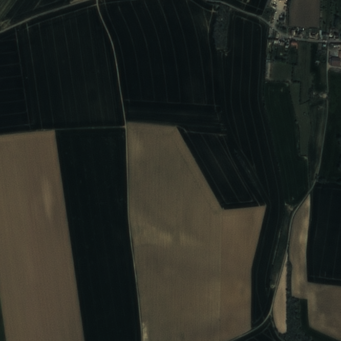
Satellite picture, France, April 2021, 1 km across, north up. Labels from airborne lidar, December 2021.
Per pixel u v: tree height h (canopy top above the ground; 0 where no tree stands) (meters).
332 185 0
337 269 0
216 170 0
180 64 0
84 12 0
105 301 0
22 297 0
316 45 0
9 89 0
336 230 0
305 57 0
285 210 0
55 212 0
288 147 0
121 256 0
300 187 0
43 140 0
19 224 0
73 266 0
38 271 0
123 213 0
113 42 0
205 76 0
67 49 0
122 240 0
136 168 0
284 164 0
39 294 0
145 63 0
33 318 0
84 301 0
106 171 0
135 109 0
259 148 0
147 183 0
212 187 0
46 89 0
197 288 0
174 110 0
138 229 0
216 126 0
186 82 0
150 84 0
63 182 0
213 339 0
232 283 0
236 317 0
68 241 0
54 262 0
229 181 0
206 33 0
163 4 0
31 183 0
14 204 0
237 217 0
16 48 0
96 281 0
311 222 0
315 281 0
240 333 0
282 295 0
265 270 0
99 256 0
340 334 0
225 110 0
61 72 0
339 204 0
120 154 0
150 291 0
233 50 0
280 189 0
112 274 0
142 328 0
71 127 0
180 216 0
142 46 0
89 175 0
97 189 0
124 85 0
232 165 0
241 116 0
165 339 0
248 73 0
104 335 0
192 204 0
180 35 0
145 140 0
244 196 0
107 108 0
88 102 0
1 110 0
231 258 0
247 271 0
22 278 0
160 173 0
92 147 0
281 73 0
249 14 0
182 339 0
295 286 0
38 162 0
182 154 0
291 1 12
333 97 0
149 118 0
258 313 0
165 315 0
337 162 0
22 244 0
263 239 0
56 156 0
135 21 0
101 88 0
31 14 0
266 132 0
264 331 0
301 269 0
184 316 0
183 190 0
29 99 0
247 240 0
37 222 0
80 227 0
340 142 15
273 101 0
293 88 0
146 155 0
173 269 0
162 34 0
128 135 0
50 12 0
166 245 0
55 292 0
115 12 0
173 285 0
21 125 0
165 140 0
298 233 0
